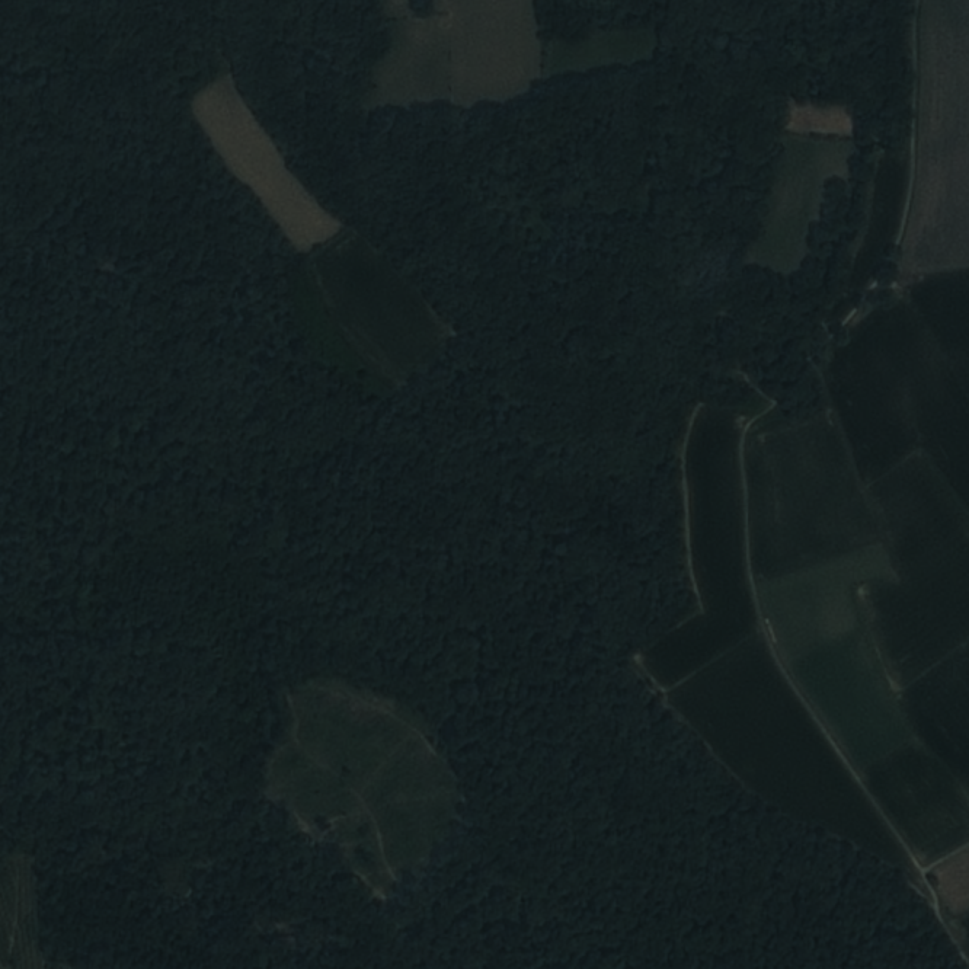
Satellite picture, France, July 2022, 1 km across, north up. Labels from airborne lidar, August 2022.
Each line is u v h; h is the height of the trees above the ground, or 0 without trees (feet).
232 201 92
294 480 75
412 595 73
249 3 75
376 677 84
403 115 69
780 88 103
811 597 0
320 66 92
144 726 86
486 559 69
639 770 81
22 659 84
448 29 0
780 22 83
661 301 84
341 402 72
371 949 79
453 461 80
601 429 77
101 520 63
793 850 71
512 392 79
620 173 87
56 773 92
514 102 35
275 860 92
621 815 72
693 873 92
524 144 54
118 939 48
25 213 89
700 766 64
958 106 0
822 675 0
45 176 85
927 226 0
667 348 90
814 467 0
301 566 98
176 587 49
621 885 83
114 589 41
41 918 21
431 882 79
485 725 94
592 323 75
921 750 0
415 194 75
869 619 0
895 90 85
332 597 72
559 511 79
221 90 0
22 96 87
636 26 54
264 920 72
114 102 52
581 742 78
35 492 67
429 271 59
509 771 77
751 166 59
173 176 72
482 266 78
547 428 75
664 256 86
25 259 71
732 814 78
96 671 101
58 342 76
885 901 82
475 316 72
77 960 86
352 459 43
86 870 70
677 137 85
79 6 70
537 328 78
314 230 0
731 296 79
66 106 76
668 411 73
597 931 92
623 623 77
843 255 74
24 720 89
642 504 86
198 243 85
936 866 0
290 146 52
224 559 34
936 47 0
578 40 54
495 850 58
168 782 89
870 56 93
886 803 0
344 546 80
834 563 0
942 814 0
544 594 80
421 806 0
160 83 50
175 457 81
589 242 66
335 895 83
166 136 61
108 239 77
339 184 78
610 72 57
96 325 76
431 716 96
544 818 68
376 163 84
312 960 96
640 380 93
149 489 87
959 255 0
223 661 37
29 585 91
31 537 82
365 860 88
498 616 93
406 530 76
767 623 0
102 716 93
